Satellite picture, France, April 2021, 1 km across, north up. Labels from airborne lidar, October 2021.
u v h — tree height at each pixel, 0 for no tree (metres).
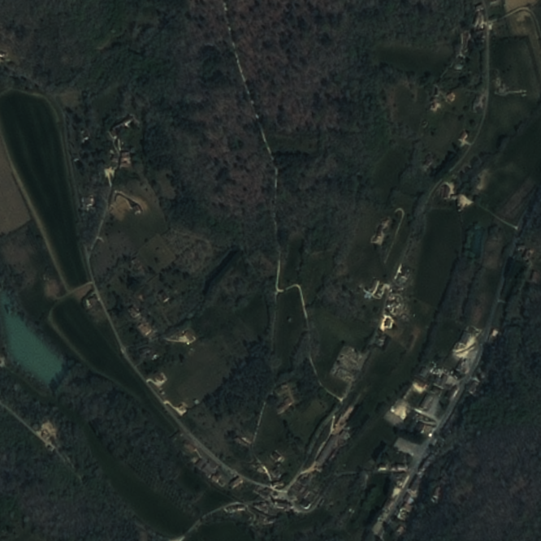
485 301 0
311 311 18
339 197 24
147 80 23
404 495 0
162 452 10
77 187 0
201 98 16
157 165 17
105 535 24
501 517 18
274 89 17
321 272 0
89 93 11
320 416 0
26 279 6
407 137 16
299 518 11
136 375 0
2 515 17
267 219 16
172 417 0
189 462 16
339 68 18
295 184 18
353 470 0
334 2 11
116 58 17
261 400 15
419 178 14
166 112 25
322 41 17
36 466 21
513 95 0
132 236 0
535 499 17
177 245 12
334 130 12
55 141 0
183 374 0
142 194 0
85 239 14
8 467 15
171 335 16
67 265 0
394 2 9
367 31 23
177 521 0
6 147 0
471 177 16
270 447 0
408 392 14
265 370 21
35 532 13
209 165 17
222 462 8
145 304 10
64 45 19
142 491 0
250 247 14
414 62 0
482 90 11
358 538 0
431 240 0
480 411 21
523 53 0
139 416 35
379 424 0
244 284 14
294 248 0
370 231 0
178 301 13
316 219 19
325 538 15
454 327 0
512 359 14
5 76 15
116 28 23
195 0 16
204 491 13
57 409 12
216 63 24
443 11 18
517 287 6
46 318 8
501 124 0
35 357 0
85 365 0
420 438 17
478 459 17
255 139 12
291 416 9
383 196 0
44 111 0
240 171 10
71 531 20
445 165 13
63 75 11
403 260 0
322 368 0
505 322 11
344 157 18
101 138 13
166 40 19
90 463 17
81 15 18
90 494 21
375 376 0
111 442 30
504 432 15
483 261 0
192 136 28
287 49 23
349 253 13
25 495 17
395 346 0
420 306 0
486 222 0
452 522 15
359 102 17
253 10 6
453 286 14
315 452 6
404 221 0
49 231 0
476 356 0
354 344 0
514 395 21
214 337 0
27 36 23
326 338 0
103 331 0
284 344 0
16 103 0
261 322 0
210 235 15
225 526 0
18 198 0
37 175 0
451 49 0
